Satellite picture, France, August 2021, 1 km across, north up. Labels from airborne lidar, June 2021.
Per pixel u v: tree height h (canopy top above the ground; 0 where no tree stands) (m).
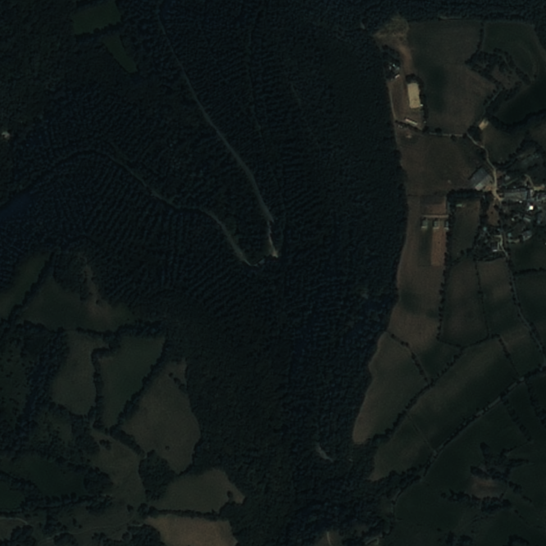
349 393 14
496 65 5
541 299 0
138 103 23
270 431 28
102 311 0
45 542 0
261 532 20
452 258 9
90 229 24
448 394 0
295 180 28
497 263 0
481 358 0
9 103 16
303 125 10
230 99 27
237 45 18
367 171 12
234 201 20
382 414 0
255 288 24
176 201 22
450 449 0
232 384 20
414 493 0
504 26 0
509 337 0
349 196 7
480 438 0
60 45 19
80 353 0
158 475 9
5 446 15
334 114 8
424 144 0
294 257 22
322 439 12
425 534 0
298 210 35
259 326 18
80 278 10
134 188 26
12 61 25
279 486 20
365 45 10
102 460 0
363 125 10
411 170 0
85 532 0
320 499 28
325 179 10
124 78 28
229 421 17
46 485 0
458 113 0
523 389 0
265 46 13
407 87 0
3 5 29
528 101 0
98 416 10
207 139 28
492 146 0
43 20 24
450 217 8
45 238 20
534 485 0
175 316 15
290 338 23
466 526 0
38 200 27
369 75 9
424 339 0
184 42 32
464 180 0
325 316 22
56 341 12
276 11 7
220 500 0
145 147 22
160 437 0
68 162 29
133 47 22
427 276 0
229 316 16
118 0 14
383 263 13
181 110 10
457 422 0
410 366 0
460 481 0
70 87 23
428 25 0
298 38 8
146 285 18
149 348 0
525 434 12
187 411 0
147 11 31
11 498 0
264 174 25
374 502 11
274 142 16
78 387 0
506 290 0
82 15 0
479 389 0
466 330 0
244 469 19
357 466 19
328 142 8
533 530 0
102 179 23
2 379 0
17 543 11
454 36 0
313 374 16
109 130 27
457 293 0
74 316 0
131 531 11
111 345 10
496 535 0
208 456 18
